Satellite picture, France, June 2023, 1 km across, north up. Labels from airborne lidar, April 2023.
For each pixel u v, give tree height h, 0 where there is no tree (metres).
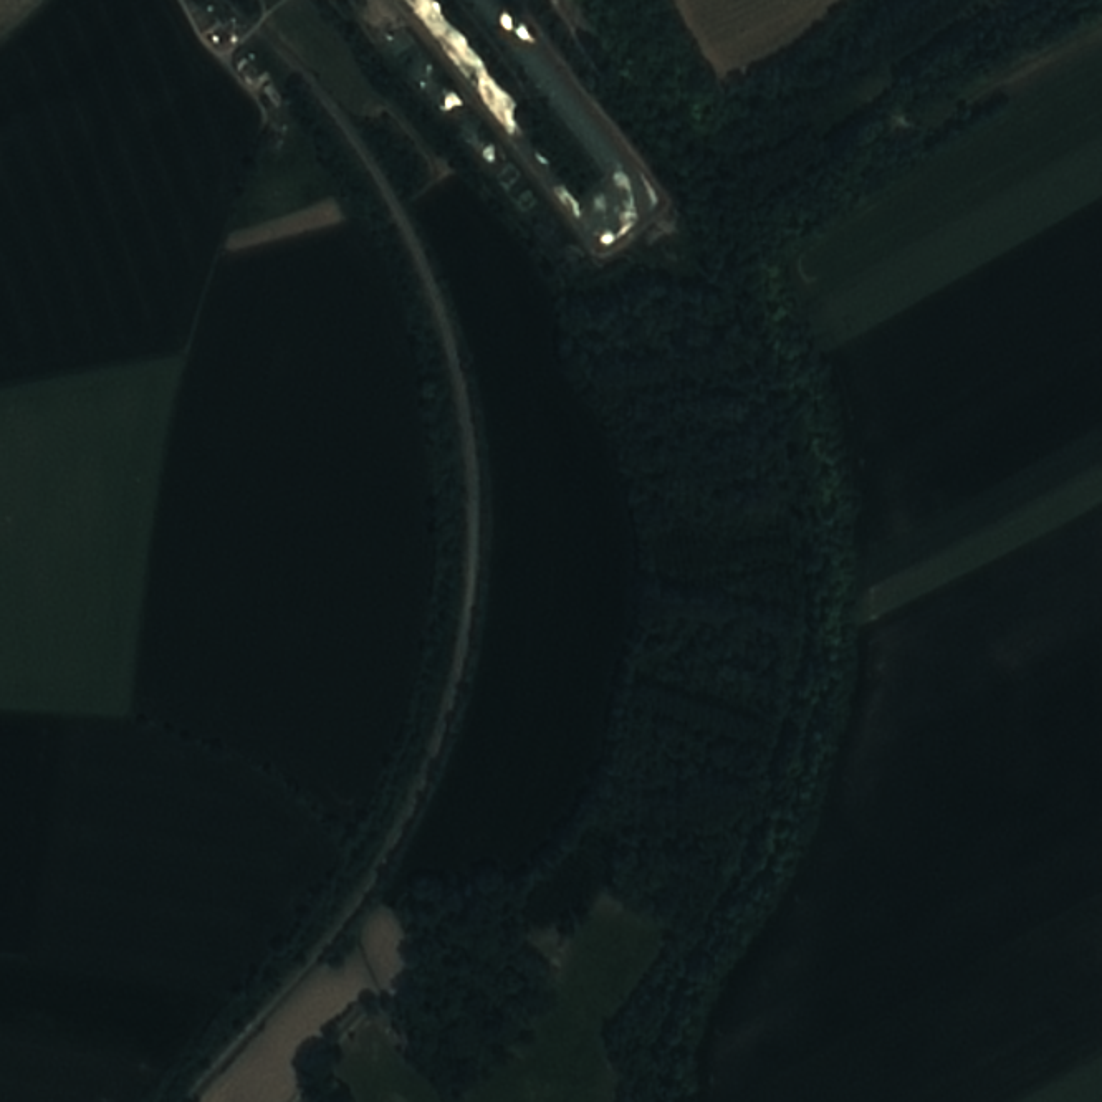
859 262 0
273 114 0
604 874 7
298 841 0
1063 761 0
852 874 0
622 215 0
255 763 6
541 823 0
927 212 0
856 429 0
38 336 0
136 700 0
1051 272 0
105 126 0
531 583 0
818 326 0
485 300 0
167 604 0
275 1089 0
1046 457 0
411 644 0
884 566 0
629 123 20
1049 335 0
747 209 22
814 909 0
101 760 0
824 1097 0
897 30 35
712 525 9
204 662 0
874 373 0
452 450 10
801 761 6
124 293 0
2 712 0
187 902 0
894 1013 0
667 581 28
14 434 0
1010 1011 0
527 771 0
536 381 0
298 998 0
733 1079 0
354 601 0
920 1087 0
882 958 0
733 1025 0
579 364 20
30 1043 0
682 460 24
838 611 17
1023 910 0
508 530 0
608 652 0
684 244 0
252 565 0
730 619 33
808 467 24
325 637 0
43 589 0
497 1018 29
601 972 0
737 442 24
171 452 0
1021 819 0
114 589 0
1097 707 0
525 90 0
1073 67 0
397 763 12
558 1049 0
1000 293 0
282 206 0
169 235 0
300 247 0
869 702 0
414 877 13
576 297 21
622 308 31
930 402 0
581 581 0
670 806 35
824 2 0
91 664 0
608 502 0
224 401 0
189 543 0
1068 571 0
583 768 0
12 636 0
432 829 0
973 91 0
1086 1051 0
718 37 0
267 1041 0
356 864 7
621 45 14
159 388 0
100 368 0
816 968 0
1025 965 0
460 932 27
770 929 0
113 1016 0
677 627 21
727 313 35
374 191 10
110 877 0
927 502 0
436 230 0
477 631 6
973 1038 0
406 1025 8
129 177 0
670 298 21
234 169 0
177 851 0
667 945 24
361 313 0
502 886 22
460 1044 27
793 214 10
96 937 0
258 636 0
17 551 0
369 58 7
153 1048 0
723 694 11
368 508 0
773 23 0
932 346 0
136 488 0
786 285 14
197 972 0
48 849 0
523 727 0
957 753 0
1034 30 18
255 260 0
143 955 0
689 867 26
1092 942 0
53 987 0
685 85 18
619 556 0
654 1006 16
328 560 0
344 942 8
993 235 0
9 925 0
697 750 25
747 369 24
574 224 0
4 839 0
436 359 14
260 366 0
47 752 0
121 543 0
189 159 0
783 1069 0
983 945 0
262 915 0
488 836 0
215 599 0
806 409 20
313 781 0
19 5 0
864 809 0
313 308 0
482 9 0
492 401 0
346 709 0
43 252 0
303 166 0
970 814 0
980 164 0
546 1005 16
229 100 0
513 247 0
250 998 8
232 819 0
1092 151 0
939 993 0
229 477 0
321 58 0
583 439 0
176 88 0
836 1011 0
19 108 0
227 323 0
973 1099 0
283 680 0
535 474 0
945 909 0
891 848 0
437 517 13
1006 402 0
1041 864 0
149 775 0
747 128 27
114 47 0
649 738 26
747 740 26
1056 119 0
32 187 0
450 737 6
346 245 0
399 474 0
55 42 0
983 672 0
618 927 0
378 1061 0
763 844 19
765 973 0
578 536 0
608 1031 19
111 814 0
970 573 0
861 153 23
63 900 0
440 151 6
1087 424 0
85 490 0
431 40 0
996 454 0
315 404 0
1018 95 0
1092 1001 0
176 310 0
